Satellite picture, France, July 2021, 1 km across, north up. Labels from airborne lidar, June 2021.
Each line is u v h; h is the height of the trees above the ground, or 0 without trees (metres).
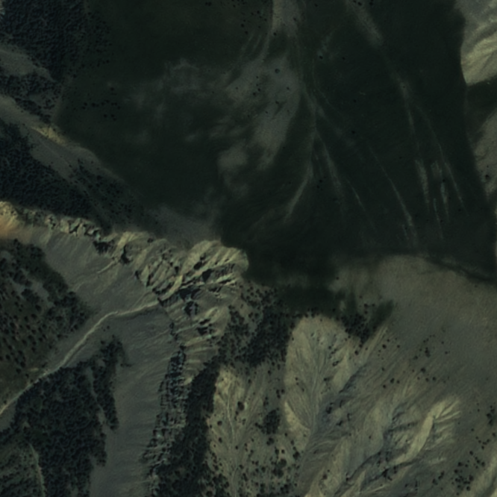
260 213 0
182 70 0
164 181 0
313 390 0
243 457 0
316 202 0
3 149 16
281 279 0
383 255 0
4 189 9
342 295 0
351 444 0
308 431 0
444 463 0
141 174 0
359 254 0
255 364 10
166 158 0
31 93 7
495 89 0
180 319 0
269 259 0
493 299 0
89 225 0
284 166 0
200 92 0
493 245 0
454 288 0
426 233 0
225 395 0
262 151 0
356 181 0
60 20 13
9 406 0
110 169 0
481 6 0
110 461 0
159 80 0
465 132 0
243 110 0
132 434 0
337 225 0
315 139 0
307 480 0
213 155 0
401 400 0
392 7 0
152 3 0
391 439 0
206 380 12
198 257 0
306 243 0
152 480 0
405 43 0
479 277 0
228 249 0
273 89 0
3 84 9
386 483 0
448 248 0
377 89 0
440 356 0
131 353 0
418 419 0
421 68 0
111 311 0
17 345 0
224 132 0
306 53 0
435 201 0
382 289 0
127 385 0
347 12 0
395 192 0
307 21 0
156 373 0
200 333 0
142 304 0
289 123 0
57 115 0
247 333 10
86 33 6
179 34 0
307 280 0
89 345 0
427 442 0
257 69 0
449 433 0
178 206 0
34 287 0
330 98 0
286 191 0
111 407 9
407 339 0
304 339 0
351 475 0
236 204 0
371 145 0
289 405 0
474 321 0
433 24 0
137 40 0
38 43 9
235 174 0
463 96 0
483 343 0
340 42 0
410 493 0
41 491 10
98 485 0
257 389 0
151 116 0
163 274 0
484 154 0
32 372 0
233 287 0
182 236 0
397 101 0
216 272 0
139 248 0
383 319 0
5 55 0
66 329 7
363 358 0
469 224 0
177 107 0
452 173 0
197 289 0
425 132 0
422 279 0
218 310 0
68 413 13
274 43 0
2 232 0
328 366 0
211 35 0
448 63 0
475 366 0
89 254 0
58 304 14
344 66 0
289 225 0
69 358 0
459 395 0
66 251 0
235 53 0
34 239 0
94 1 0
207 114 0
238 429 0
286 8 0
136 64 0
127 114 0
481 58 0
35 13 13
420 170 0
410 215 0
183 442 11
